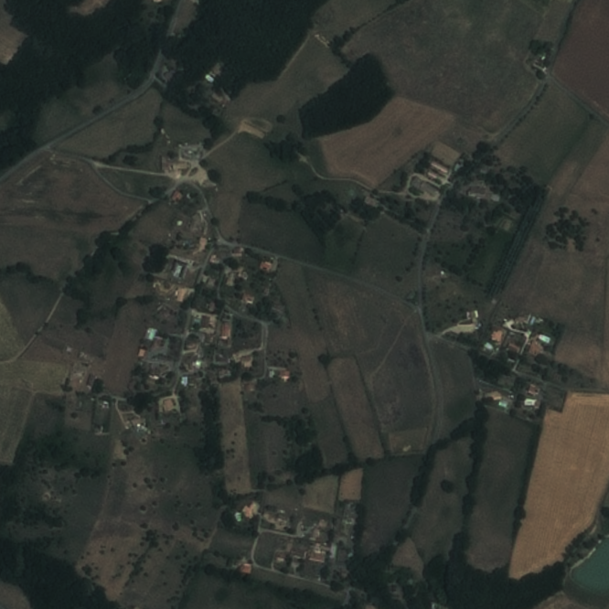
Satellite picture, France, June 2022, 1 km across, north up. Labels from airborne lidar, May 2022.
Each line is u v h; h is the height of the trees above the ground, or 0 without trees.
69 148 0
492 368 11
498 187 8
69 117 0
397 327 0
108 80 0
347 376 0
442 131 0
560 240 9
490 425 0
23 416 0
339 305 0
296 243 0
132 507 0
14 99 18
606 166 0
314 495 0
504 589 15
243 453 0
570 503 0
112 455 0
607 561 0
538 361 13
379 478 0
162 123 11
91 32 19
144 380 6
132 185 0
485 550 0
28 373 0
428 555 0
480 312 0
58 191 0
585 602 0
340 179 0
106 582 0
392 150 0
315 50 0
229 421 0
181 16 0
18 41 0
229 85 14
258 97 0
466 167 12
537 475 0
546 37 0
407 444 0
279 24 18
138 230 0
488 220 12
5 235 0
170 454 0
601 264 0
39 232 0
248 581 14
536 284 0
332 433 0
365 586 18
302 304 0
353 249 0
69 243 0
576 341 0
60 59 19
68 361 0
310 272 0
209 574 11
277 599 0
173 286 0
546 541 0
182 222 0
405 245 0
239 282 7
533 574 11
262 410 10
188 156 0
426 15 0
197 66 16
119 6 16
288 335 0
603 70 0
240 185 0
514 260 10
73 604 16
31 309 0
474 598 16
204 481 0
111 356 0
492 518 0
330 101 12
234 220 0
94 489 0
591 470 0
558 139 0
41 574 20
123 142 0
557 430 0
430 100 0
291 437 7
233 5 20
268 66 14
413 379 0
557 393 0
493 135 0
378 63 16
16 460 7
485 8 0
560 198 0
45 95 28
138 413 7
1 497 8
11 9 15
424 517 0
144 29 33
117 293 0
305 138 14
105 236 16
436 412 0
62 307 0
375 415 0
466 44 0
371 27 0
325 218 26
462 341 7
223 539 0
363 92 21
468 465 0
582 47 0
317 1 18
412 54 0
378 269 0
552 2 0
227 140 0
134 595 0
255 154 0
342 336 0
